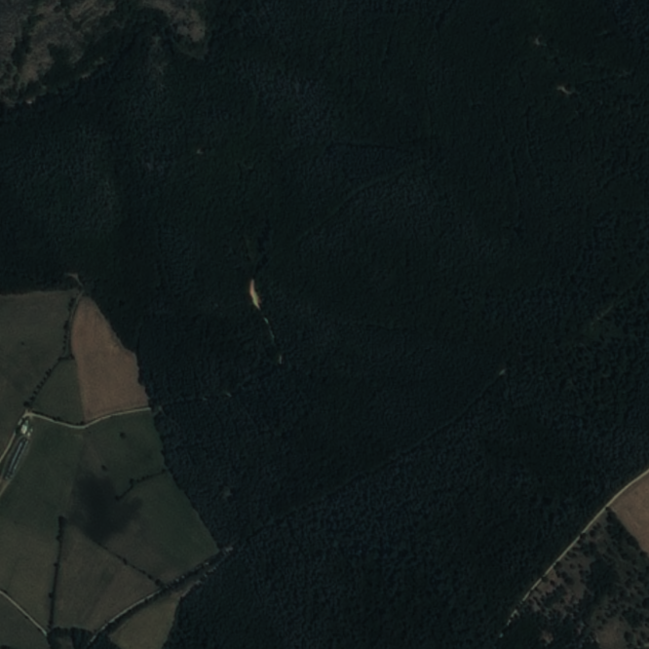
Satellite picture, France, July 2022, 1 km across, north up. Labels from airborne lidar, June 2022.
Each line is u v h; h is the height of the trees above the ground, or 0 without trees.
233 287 10
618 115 16
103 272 22
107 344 0
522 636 10
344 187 18
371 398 11
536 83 16
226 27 26
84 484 0
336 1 12
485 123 19
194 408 24
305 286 20
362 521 15
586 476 9
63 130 18
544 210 19
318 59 15
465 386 20
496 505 13
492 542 11
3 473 0
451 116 21
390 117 23
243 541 17
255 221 10
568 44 16
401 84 17
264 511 18
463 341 16
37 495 0
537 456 12
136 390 0
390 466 10
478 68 16
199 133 19
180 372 20
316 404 15
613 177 9
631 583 15
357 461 20
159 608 0
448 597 23
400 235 15
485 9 18
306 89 13
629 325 12
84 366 0
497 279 13
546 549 13
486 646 15
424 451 21
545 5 12
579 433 31
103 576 0
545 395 14
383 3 21
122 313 18
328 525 23
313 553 11
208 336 21
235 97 20
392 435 16
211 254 12
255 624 14
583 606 13
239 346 13
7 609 0
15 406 0
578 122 18
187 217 13
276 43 22
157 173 10
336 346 10
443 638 18
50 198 12
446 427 10
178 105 16
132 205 22
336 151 22
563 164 18
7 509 0
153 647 0
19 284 21
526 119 15
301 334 7
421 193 16
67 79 15
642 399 20
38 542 0
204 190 14
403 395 15
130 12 17
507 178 21
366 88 17
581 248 19
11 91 13
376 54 20
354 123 19
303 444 16
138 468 0
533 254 18
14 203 20
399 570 28
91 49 15
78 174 17
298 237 15
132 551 0
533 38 8
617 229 24
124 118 15
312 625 17
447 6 12
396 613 11
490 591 10
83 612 0
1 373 0
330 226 15
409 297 16
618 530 10
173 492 0
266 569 15
